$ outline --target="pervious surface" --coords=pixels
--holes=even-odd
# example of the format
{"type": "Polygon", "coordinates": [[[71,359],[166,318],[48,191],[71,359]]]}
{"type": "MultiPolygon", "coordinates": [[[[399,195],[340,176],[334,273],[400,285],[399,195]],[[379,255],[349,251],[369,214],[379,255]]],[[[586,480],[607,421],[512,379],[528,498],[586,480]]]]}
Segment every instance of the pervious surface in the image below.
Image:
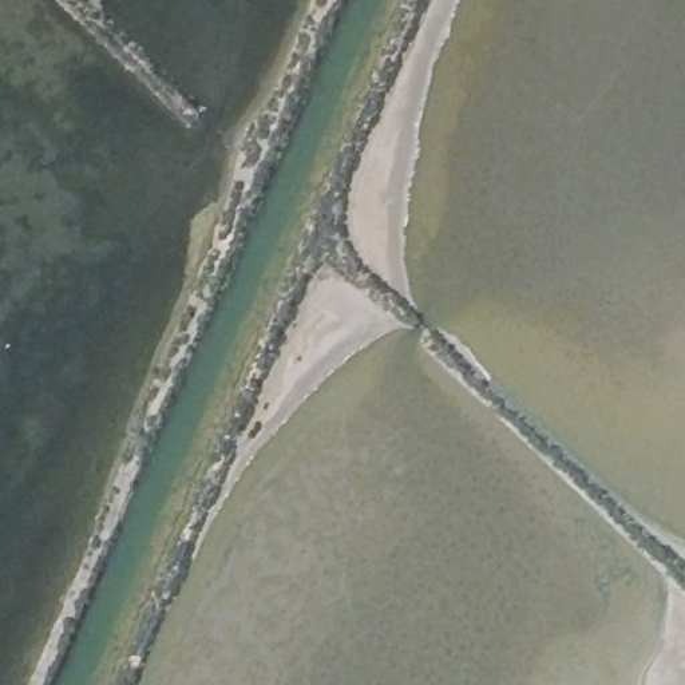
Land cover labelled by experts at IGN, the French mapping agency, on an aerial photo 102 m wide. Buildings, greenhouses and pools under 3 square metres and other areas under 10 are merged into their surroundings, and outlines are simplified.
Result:
{"type": "Polygon", "coordinates": [[[158,393],[150,401],[147,412],[161,412],[174,383],[158,377],[153,380],[158,393]]]}
{"type": "Polygon", "coordinates": [[[428,332],[423,329],[420,340],[420,351],[447,377],[452,377],[460,385],[460,391],[466,391],[479,407],[492,404],[474,385],[468,385],[460,369],[455,369],[433,348],[428,332]]]}
{"type": "Polygon", "coordinates": [[[487,380],[490,369],[479,361],[479,356],[458,334],[450,332],[447,337],[455,345],[455,351],[463,353],[463,359],[476,369],[476,375],[487,380]]]}
{"type": "Polygon", "coordinates": [[[645,532],[650,532],[685,559],[685,541],[653,524],[623,498],[615,500],[645,532]]]}
{"type": "Polygon", "coordinates": [[[45,648],[27,685],[45,685],[48,669],[59,656],[64,626],[75,615],[80,594],[88,589],[102,554],[99,549],[86,551],[72,583],[67,586],[62,610],[56,613],[45,648]]]}
{"type": "Polygon", "coordinates": [[[110,541],[126,511],[131,482],[139,466],[128,460],[126,466],[115,468],[112,476],[118,484],[118,495],[110,503],[102,527],[102,538],[110,541]]]}
{"type": "Polygon", "coordinates": [[[268,444],[268,439],[292,417],[292,412],[353,353],[359,353],[361,348],[367,348],[369,343],[393,329],[407,329],[409,321],[396,318],[393,310],[385,310],[380,302],[375,302],[369,297],[369,289],[351,286],[332,268],[318,270],[318,276],[308,286],[308,294],[300,305],[294,324],[286,332],[281,356],[273,364],[268,383],[262,385],[257,409],[249,417],[243,433],[238,436],[235,460],[230,466],[230,474],[217,503],[209,508],[206,524],[198,532],[193,551],[201,551],[214,519],[225,508],[235,482],[241,479],[241,471],[254,460],[254,452],[262,444],[268,444]]]}
{"type": "Polygon", "coordinates": [[[420,123],[433,78],[433,64],[442,54],[442,45],[450,37],[460,0],[431,0],[428,11],[423,13],[417,37],[409,45],[401,72],[385,99],[383,118],[367,142],[348,198],[348,230],[361,260],[383,281],[399,289],[407,297],[407,302],[415,305],[404,262],[409,190],[415,163],[420,155],[420,123]]]}
{"type": "Polygon", "coordinates": [[[230,155],[227,174],[243,182],[243,190],[254,187],[257,171],[246,166],[246,153],[230,155]]]}
{"type": "Polygon", "coordinates": [[[225,225],[214,225],[214,246],[219,254],[214,257],[211,276],[217,278],[233,241],[222,238],[225,225]]]}
{"type": "Polygon", "coordinates": [[[179,345],[179,351],[171,356],[171,367],[179,367],[195,345],[198,329],[211,302],[211,292],[195,289],[187,294],[195,313],[187,326],[187,343],[179,345]]]}
{"type": "Polygon", "coordinates": [[[610,516],[610,511],[602,503],[597,503],[565,468],[554,463],[554,458],[541,452],[508,417],[500,415],[498,423],[511,436],[516,436],[519,444],[524,444],[546,468],[551,468],[554,476],[573,495],[578,495],[637,557],[642,557],[661,575],[666,586],[661,645],[656,648],[637,685],[685,685],[685,589],[674,581],[674,575],[661,559],[642,549],[610,516]]]}

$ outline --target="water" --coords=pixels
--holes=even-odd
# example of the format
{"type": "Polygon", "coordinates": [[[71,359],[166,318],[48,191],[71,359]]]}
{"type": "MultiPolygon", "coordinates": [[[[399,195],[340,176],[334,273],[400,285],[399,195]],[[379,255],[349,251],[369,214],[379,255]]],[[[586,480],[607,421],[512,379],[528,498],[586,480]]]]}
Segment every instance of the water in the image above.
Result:
{"type": "Polygon", "coordinates": [[[546,468],[524,444],[519,444],[516,436],[511,436],[498,423],[500,415],[492,404],[479,407],[466,391],[460,391],[460,385],[452,377],[447,377],[420,351],[420,340],[407,329],[393,329],[369,343],[367,348],[361,348],[359,353],[353,353],[292,412],[292,417],[268,439],[268,444],[262,444],[254,452],[254,460],[241,471],[241,479],[235,482],[225,508],[214,519],[201,551],[193,551],[190,578],[182,586],[182,594],[177,597],[174,607],[169,607],[166,613],[166,623],[153,648],[150,669],[144,672],[142,685],[637,685],[656,648],[661,645],[666,586],[661,575],[642,557],[637,557],[578,495],[573,495],[554,476],[551,468],[546,468]]]}
{"type": "Polygon", "coordinates": [[[605,487],[615,500],[623,498],[653,524],[685,541],[685,0],[460,0],[450,37],[442,45],[442,54],[433,64],[433,78],[420,123],[420,155],[415,163],[409,190],[404,262],[415,305],[420,313],[425,313],[423,329],[428,332],[431,326],[442,326],[442,334],[447,337],[450,332],[458,334],[479,356],[479,361],[490,369],[487,380],[511,409],[524,412],[527,420],[538,425],[538,431],[551,444],[559,444],[565,455],[573,463],[578,463],[589,474],[589,479],[605,487]]]}
{"type": "Polygon", "coordinates": [[[286,134],[286,144],[281,147],[281,158],[273,161],[268,155],[265,169],[257,171],[254,187],[254,203],[243,211],[241,230],[233,241],[217,278],[217,289],[211,292],[211,302],[198,329],[195,345],[179,367],[174,383],[161,412],[155,442],[153,447],[142,447],[139,466],[131,482],[126,511],[110,541],[107,551],[102,554],[88,589],[80,594],[75,615],[64,626],[59,656],[48,669],[45,685],[104,685],[112,661],[120,653],[128,621],[144,594],[144,583],[155,570],[155,557],[161,554],[166,532],[179,514],[182,495],[201,460],[206,436],[214,428],[214,420],[225,404],[227,391],[235,385],[249,343],[257,337],[257,326],[270,286],[276,284],[276,276],[284,265],[289,246],[294,243],[294,230],[300,227],[302,209],[310,201],[313,187],[318,185],[318,171],[326,161],[326,153],[337,144],[343,118],[353,104],[353,94],[361,78],[367,75],[367,62],[375,51],[375,43],[383,35],[385,16],[391,11],[388,0],[102,0],[104,21],[123,35],[126,43],[139,45],[153,72],[163,78],[177,94],[182,94],[182,99],[190,107],[201,104],[206,110],[203,115],[198,115],[195,126],[185,128],[174,118],[174,112],[163,110],[136,83],[131,72],[126,72],[115,59],[110,59],[80,29],[80,24],[72,21],[54,0],[0,0],[0,685],[27,685],[45,648],[56,613],[62,610],[67,586],[72,583],[86,551],[86,538],[94,530],[96,506],[104,495],[107,479],[112,476],[115,468],[115,452],[126,436],[131,407],[136,401],[142,383],[147,380],[147,367],[169,326],[174,302],[182,294],[193,217],[219,198],[222,179],[227,174],[230,155],[235,126],[241,123],[249,104],[257,99],[262,80],[270,75],[284,48],[286,32],[297,11],[305,5],[305,11],[321,24],[316,56],[313,64],[300,72],[300,86],[286,104],[292,126],[286,134]]]}

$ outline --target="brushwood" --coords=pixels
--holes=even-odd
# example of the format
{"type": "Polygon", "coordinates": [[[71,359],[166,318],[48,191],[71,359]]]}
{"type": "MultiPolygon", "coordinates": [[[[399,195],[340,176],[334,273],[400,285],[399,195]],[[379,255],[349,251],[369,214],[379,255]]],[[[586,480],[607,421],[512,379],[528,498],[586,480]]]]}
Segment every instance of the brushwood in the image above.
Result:
{"type": "Polygon", "coordinates": [[[118,495],[118,484],[112,476],[107,479],[104,495],[96,506],[94,530],[86,538],[86,551],[99,549],[102,554],[107,551],[110,541],[102,538],[102,527],[110,503],[118,495]]]}
{"type": "Polygon", "coordinates": [[[182,294],[174,302],[169,326],[147,367],[147,380],[142,383],[136,401],[131,407],[126,436],[115,452],[115,468],[126,466],[128,460],[139,466],[142,447],[153,447],[155,442],[161,412],[147,412],[150,401],[158,393],[153,380],[158,377],[174,383],[179,367],[171,367],[171,356],[179,351],[179,345],[187,343],[187,326],[195,313],[187,294],[195,289],[211,292],[217,289],[217,278],[211,276],[214,257],[219,254],[214,246],[214,225],[225,225],[222,238],[233,241],[241,230],[243,211],[254,203],[254,187],[243,190],[243,182],[227,174],[222,179],[219,198],[193,217],[182,294]]]}
{"type": "Polygon", "coordinates": [[[460,369],[468,385],[474,385],[492,404],[500,415],[508,417],[541,452],[554,458],[554,463],[565,468],[597,503],[602,503],[610,511],[610,516],[642,549],[661,559],[674,575],[674,581],[685,589],[685,559],[650,532],[645,532],[615,500],[605,487],[589,479],[589,474],[578,463],[573,463],[565,455],[559,444],[551,444],[538,431],[538,425],[527,420],[524,412],[511,409],[487,380],[476,375],[476,369],[463,359],[463,353],[455,351],[455,345],[447,337],[442,334],[442,326],[431,326],[428,332],[433,348],[455,369],[460,369]]]}
{"type": "Polygon", "coordinates": [[[230,155],[246,153],[246,166],[257,171],[265,169],[268,155],[273,161],[281,158],[281,147],[286,144],[286,134],[292,126],[286,104],[300,86],[300,72],[313,64],[316,56],[321,24],[305,11],[305,5],[297,11],[286,32],[284,48],[270,75],[262,80],[257,99],[249,104],[241,123],[235,126],[230,155]]]}
{"type": "Polygon", "coordinates": [[[217,503],[230,474],[230,466],[235,460],[238,436],[243,433],[249,417],[257,409],[262,385],[268,383],[273,364],[281,356],[286,332],[294,324],[300,305],[308,294],[308,286],[318,276],[318,270],[332,268],[351,286],[369,289],[369,297],[375,302],[380,302],[385,310],[393,310],[396,318],[409,321],[407,329],[420,340],[423,329],[425,313],[420,313],[415,305],[407,302],[407,297],[399,289],[383,281],[361,260],[348,230],[348,198],[367,142],[383,118],[385,99],[401,72],[409,45],[417,37],[423,13],[428,11],[431,0],[388,0],[391,11],[385,16],[383,35],[375,43],[375,51],[367,62],[367,75],[361,78],[353,94],[353,104],[343,118],[337,144],[326,153],[326,161],[318,171],[318,185],[313,187],[310,201],[302,209],[300,227],[294,230],[294,243],[289,246],[284,265],[276,276],[276,284],[270,286],[257,326],[257,337],[249,343],[235,385],[227,391],[225,404],[214,420],[214,428],[206,436],[201,460],[182,495],[179,514],[166,532],[161,554],[155,557],[155,570],[144,583],[144,594],[128,621],[120,653],[112,661],[104,685],[142,685],[144,672],[150,669],[153,648],[166,623],[166,613],[169,607],[174,607],[177,597],[182,594],[182,586],[190,578],[193,551],[198,532],[206,524],[209,508],[217,503]]]}
{"type": "Polygon", "coordinates": [[[182,94],[177,94],[163,78],[153,72],[139,45],[126,43],[123,35],[104,21],[102,0],[54,0],[72,21],[80,24],[80,29],[110,59],[115,59],[126,72],[131,72],[136,83],[163,110],[174,112],[174,118],[185,128],[195,126],[198,115],[203,115],[206,110],[201,104],[190,107],[182,99],[182,94]]]}

